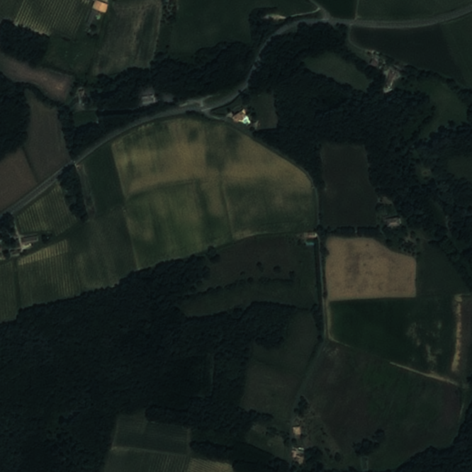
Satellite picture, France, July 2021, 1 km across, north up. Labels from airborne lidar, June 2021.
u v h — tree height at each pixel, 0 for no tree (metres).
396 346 0
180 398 10
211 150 0
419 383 0
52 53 0
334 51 12
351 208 0
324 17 0
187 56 0
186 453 0
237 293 0
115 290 9
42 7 0
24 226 0
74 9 0
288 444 8
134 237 0
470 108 11
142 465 0
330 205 0
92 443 15
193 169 0
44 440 20
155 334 20
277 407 0
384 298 0
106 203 0
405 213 23
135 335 21
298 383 0
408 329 0
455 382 0
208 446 21
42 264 0
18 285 0
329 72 0
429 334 0
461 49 0
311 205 0
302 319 0
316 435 0
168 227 0
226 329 22
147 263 0
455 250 15
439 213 0
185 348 19
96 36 7
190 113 13
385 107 23
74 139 17
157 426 0
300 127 22
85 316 28
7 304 0
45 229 0
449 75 0
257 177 0
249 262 0
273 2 0
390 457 0
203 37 0
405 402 0
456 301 0
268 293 0
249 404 0
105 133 13
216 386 11
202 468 0
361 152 0
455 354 0
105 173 0
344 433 0
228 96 0
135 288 26
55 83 0
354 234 7
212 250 16
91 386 18
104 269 0
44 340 23
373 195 0
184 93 17
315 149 19
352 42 0
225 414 17
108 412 16
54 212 0
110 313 21
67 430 15
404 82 10
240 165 0
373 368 0
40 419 22
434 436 0
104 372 22
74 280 0
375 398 0
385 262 0
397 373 0
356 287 0
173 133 0
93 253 0
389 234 13
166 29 0
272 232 0
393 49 0
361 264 0
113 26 0
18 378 21
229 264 0
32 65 16
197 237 0
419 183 17
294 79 22
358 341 0
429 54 0
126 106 19
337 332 0
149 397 17
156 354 19
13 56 15
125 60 0
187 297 8
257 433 0
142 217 0
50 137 0
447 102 0
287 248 0
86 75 11
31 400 18
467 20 0
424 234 0
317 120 28
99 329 26
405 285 0
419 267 0
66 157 0
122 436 0
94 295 17
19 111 17
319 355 0
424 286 0
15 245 17
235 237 0
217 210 0
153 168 0
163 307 27
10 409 20
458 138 15
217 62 19
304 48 12
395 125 23
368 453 21
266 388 0
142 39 0
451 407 0
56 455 21
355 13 0
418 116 9
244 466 14
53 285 0
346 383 0
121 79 17
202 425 21
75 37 0
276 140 11
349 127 26
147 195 0
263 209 0
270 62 23
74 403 16
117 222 0
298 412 9
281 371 0
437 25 0
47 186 0
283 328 10
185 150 0
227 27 0
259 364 0
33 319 17
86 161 0
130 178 0
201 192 0
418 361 0
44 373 23
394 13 0
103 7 0
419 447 0
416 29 0
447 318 0
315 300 0
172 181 0
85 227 0
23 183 0
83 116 0
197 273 17
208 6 0
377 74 18
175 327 20
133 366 20
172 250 0
